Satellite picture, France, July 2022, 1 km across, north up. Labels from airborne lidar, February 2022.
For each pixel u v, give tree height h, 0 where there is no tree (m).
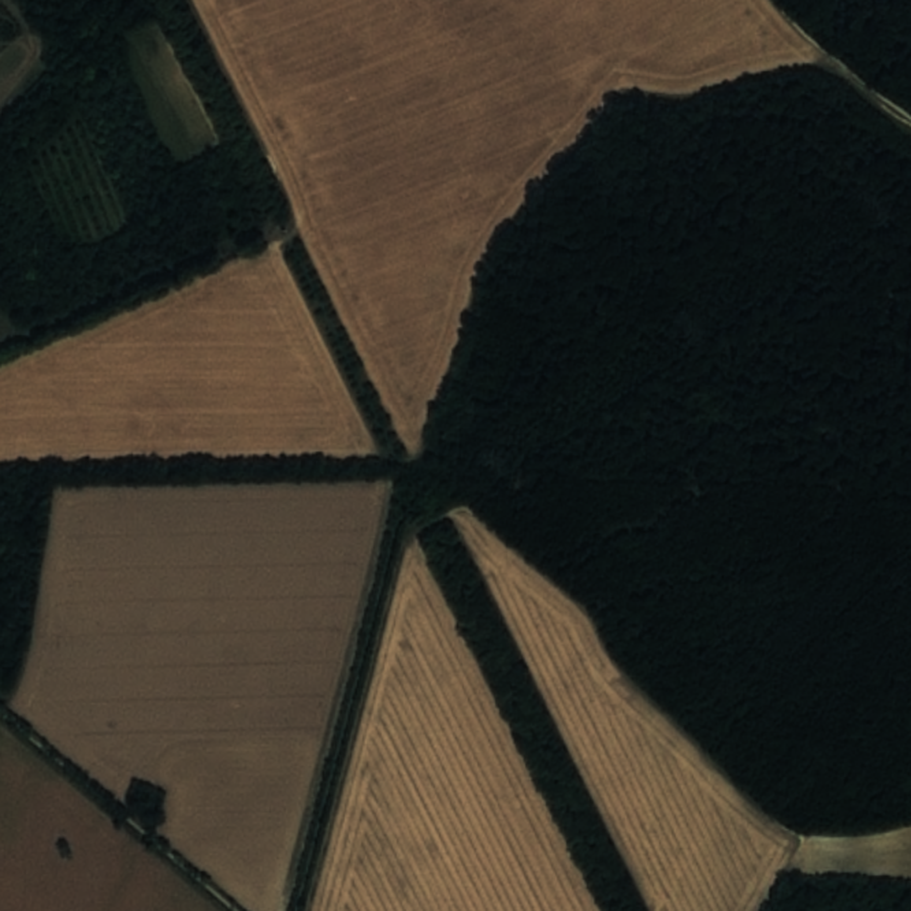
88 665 0
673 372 12
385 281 0
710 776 0
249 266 0
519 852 0
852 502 14
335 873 0
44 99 16
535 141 0
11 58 0
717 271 19
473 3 0
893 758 11
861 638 14
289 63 0
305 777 0
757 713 10
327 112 0
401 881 0
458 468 11
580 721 0
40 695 0
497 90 0
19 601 16
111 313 14
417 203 0
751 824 0
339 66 0
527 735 19
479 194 0
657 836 0
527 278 19
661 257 27
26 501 14
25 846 0
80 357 0
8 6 0
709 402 9
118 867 0
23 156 15
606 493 13
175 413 0
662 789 0
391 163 0
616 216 24
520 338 10
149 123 11
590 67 0
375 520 0
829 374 20
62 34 19
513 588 0
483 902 0
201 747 0
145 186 15
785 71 11
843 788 9
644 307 14
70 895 0
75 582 0
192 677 0
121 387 0
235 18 0
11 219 18
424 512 10
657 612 8
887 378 26
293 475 13
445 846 0
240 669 0
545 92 0
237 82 0
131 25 15
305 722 0
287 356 0
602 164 25
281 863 0
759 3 0
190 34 19
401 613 0
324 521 0
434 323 0
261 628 0
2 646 18
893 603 17
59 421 0
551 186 20
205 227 8
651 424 11
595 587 16
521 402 23
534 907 0
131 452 0
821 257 13
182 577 0
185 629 0
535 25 0
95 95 8
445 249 0
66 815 0
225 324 0
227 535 0
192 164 7
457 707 0
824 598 15
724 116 26
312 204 0
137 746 0
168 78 0
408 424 0
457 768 0
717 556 11
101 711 0
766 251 13
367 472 11
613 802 0
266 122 0
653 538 13
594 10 0
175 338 0
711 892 0
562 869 0
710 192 23
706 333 11
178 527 0
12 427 0
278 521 0
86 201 7
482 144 0
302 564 0
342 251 0
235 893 0
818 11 27
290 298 0
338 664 0
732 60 0
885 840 0
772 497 13
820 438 17
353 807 0
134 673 0
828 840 0
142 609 0
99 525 0
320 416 0
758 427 23
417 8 0
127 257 8
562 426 11
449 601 15
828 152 23
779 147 22
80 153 8
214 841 0
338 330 7
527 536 16
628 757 0
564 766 22
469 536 0
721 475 14
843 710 12
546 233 20
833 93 16
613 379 6
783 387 18
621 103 22
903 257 24
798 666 15
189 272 21
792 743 9
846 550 12
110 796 16
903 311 26
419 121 0
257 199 23
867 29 27
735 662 11
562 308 24
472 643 15
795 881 16
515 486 16
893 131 13
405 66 0
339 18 0
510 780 0
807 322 24
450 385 16
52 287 15
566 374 18
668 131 27
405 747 0
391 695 0
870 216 18
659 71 0
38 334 16
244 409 0
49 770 0
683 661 10
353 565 0
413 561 0
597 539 14
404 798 0
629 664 9
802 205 25
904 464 24
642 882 0
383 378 0
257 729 0
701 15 0
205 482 8
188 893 0
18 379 0
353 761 0
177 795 0
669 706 9
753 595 15
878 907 8
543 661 0
